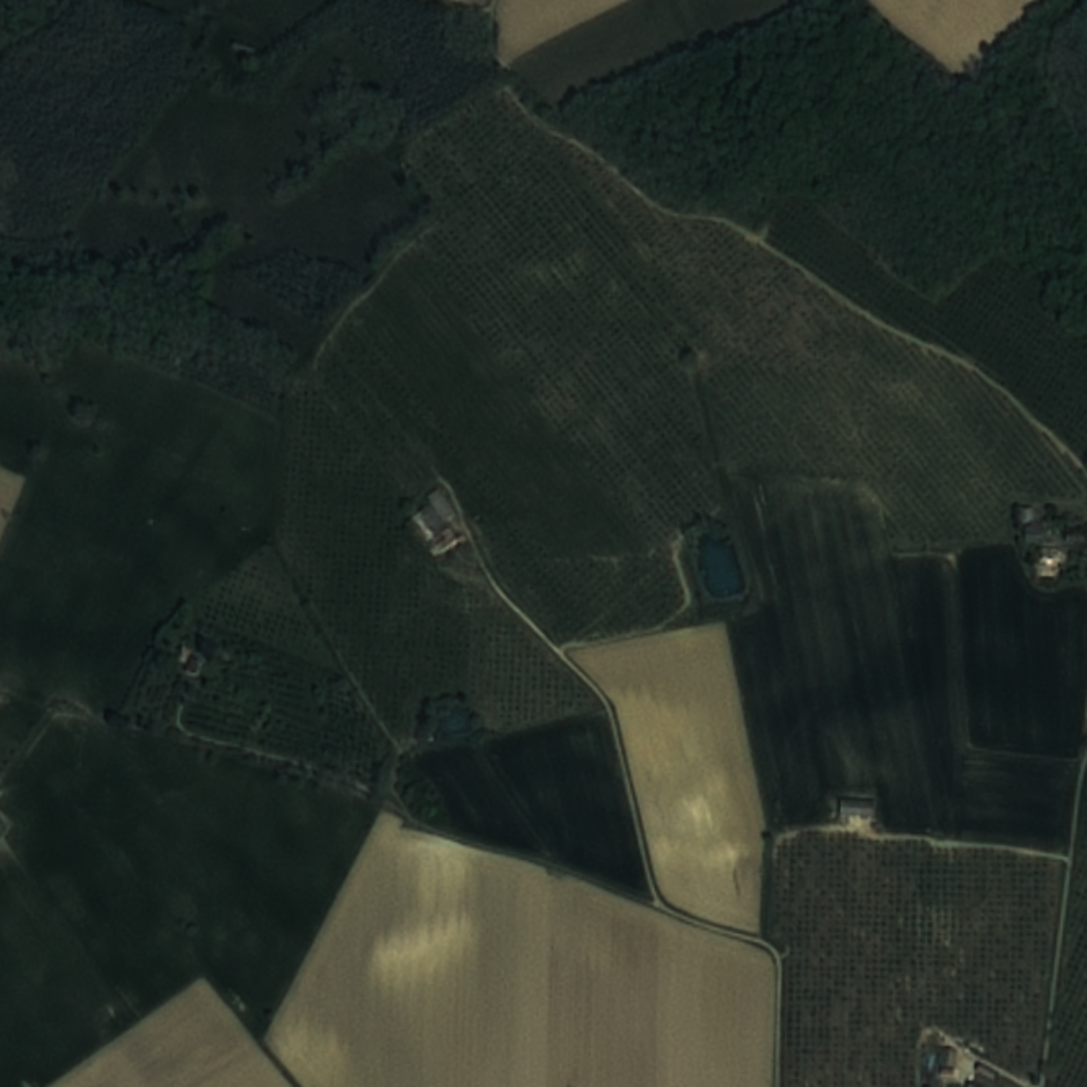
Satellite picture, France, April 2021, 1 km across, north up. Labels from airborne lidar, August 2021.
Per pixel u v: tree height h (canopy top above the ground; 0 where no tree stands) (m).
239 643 6
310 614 7
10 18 20
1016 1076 0
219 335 24
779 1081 0
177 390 0
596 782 0
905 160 24
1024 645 0
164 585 0
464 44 16
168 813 0
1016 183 25
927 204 18
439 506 0
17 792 0
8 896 0
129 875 0
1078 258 21
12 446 0
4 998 0
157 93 14
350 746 21
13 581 0
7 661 0
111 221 0
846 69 27
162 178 0
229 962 0
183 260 18
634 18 0
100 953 0
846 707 0
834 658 0
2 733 0
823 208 9
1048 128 24
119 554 0
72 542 0
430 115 13
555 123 13
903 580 0
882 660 0
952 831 0
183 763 0
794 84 24
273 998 0
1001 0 0
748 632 0
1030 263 10
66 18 10
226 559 0
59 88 10
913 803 0
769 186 17
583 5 0
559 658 0
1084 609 0
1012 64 17
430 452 0
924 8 0
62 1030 0
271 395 8
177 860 0
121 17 6
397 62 11
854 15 19
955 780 0
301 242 0
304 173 19
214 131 0
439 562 0
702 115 19
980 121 23
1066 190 31
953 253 16
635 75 16
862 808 0
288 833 0
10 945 0
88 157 12
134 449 0
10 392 0
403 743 0
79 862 0
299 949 0
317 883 0
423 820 7
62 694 0
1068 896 0
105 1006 0
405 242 13
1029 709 0
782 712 0
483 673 0
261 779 0
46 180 12
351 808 0
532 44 0
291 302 12
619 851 0
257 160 0
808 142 20
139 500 0
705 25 0
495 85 10
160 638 8
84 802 0
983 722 0
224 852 0
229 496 0
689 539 14
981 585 0
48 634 0
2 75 11
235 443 0
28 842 0
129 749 0
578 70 0
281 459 0
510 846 0
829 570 0
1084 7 17
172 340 20
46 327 23
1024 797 0
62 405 0
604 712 0
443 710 6
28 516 0
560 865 0
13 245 9
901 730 0
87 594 0
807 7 15
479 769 0
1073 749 0
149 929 0
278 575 0
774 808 0
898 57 23
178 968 0
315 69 0
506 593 0
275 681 6
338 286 11
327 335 0
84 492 0
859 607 0
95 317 20
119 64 11
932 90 21
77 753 0
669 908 0
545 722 0
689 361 18
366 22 8
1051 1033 9
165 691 7
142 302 27
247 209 0
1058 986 0
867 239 14
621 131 18
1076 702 0
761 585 0
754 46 22
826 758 0
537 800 0
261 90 14
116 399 0
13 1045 0
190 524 0
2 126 12
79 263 17
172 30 11
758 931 0
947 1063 0
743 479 0
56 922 0
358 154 0
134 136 9
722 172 15
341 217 0
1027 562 7
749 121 22
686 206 17
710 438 0
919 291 9
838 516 0
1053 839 0
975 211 20
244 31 0
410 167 7
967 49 0
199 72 11
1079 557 8
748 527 0
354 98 20
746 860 0
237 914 0
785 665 0
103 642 0
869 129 22
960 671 0
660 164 20
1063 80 17
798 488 0
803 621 0
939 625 0
